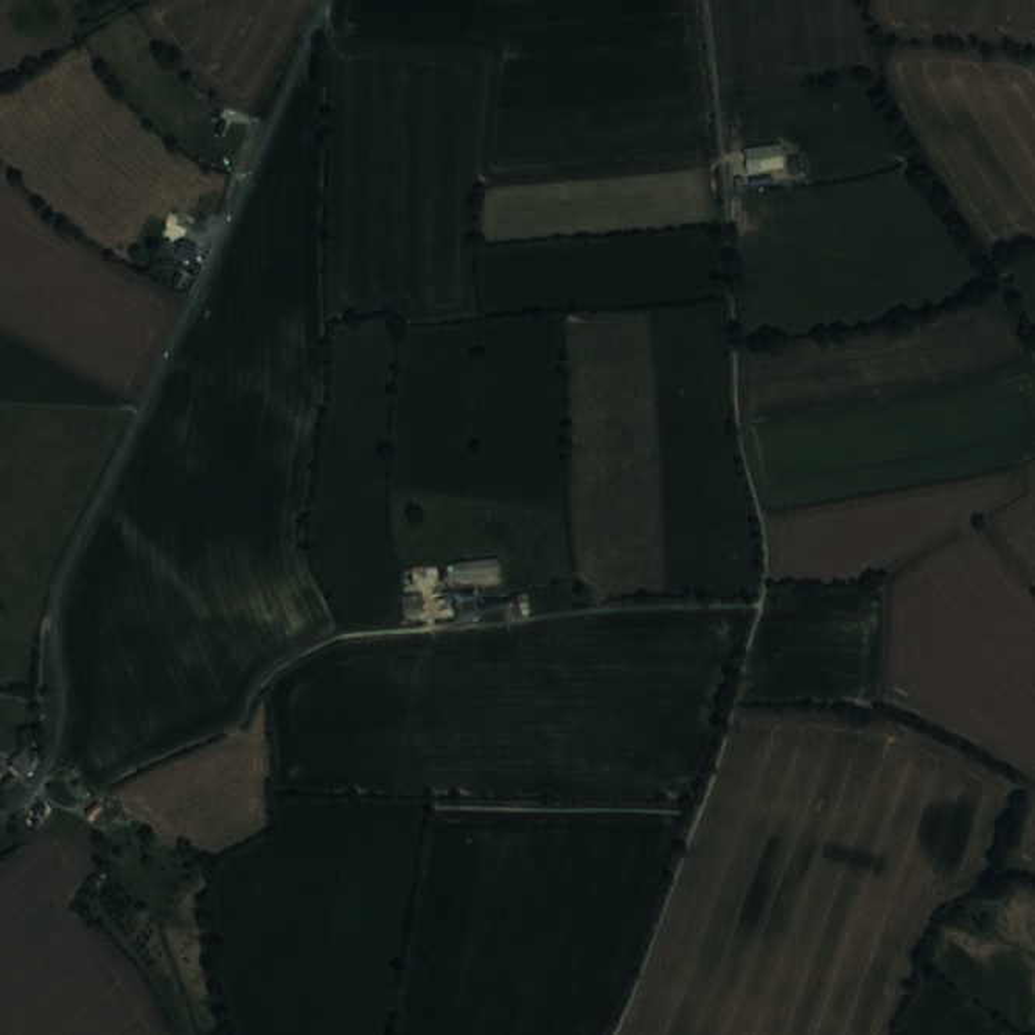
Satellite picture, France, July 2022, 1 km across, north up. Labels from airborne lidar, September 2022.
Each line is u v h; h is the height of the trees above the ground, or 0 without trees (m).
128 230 0
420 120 0
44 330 0
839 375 0
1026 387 0
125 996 0
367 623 0
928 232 0
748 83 0
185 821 0
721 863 0
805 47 0
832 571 0
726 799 0
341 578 0
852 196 0
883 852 0
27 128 0
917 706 0
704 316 0
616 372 0
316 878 0
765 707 8
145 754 0
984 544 0
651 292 0
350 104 0
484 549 0
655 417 0
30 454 0
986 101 0
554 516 0
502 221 0
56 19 0
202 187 0
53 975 0
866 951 0
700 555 0
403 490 0
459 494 0
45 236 0
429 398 0
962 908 10
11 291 0
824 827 0
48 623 0
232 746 0
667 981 0
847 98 0
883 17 0
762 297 0
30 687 6
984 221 0
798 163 0
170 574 0
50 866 0
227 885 0
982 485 0
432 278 0
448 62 0
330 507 0
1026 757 0
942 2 0
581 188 0
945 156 0
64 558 0
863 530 0
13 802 0
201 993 0
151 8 0
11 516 0
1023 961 0
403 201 0
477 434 0
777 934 0
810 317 0
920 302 0
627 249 0
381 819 0
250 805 0
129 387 0
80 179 0
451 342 0
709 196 0
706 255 0
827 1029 0
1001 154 0
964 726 0
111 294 0
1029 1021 0
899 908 0
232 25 0
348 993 0
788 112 0
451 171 0
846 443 0
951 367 0
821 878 0
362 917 0
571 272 0
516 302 0
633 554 0
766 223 0
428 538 0
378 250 0
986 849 0
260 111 0
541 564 0
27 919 0
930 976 15
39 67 14
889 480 0
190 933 0
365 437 0
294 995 0
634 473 0
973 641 0
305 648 0
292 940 0
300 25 0
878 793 0
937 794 0
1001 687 0
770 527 0
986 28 0
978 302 20
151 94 0
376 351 0
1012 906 0
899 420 0
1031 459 0
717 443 0
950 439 0
